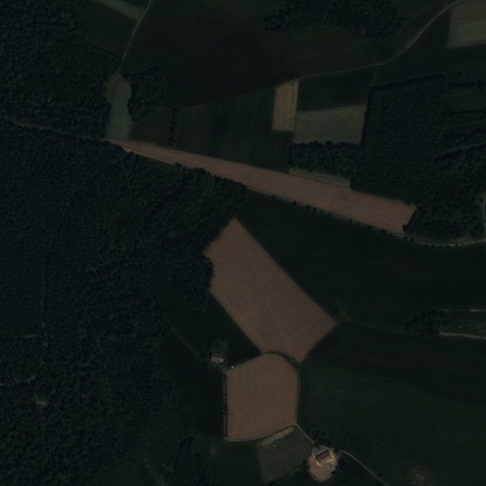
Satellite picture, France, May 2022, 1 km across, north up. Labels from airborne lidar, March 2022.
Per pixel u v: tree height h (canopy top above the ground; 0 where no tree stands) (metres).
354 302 0
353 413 0
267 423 0
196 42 0
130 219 9
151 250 30
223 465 0
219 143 0
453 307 0
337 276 0
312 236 0
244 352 0
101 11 0
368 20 18
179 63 0
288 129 0
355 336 0
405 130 15
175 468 8
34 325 15
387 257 0
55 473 30
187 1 0
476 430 0
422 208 14
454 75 0
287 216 0
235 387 0
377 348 0
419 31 0
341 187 0
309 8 17
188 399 0
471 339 0
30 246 25
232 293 0
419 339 0
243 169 0
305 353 0
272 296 0
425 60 0
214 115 0
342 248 0
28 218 27
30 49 26
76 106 14
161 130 0
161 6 0
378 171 17
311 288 0
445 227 10
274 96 0
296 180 0
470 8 0
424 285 0
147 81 21
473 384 0
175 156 0
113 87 0
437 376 0
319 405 0
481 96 0
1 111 11
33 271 23
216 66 0
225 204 24
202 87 0
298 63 0
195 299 15
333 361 0
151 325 29
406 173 13
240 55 0
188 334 0
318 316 0
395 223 0
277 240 0
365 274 0
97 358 22
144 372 25
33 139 25
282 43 0
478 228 10
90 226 23
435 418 0
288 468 0
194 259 28
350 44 0
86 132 17
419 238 0
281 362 0
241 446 0
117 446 12
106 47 0
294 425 0
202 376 0
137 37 0
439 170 12
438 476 0
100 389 34
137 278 30
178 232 25
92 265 21
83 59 10
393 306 0
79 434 15
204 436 0
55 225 25
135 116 20
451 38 0
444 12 0
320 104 0
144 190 13
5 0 23
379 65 0
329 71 0
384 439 0
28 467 29
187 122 0
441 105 14
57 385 9
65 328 25
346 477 0
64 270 28
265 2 0
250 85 0
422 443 0
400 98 17
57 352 13
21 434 28
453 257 0
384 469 0
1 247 23
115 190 16
